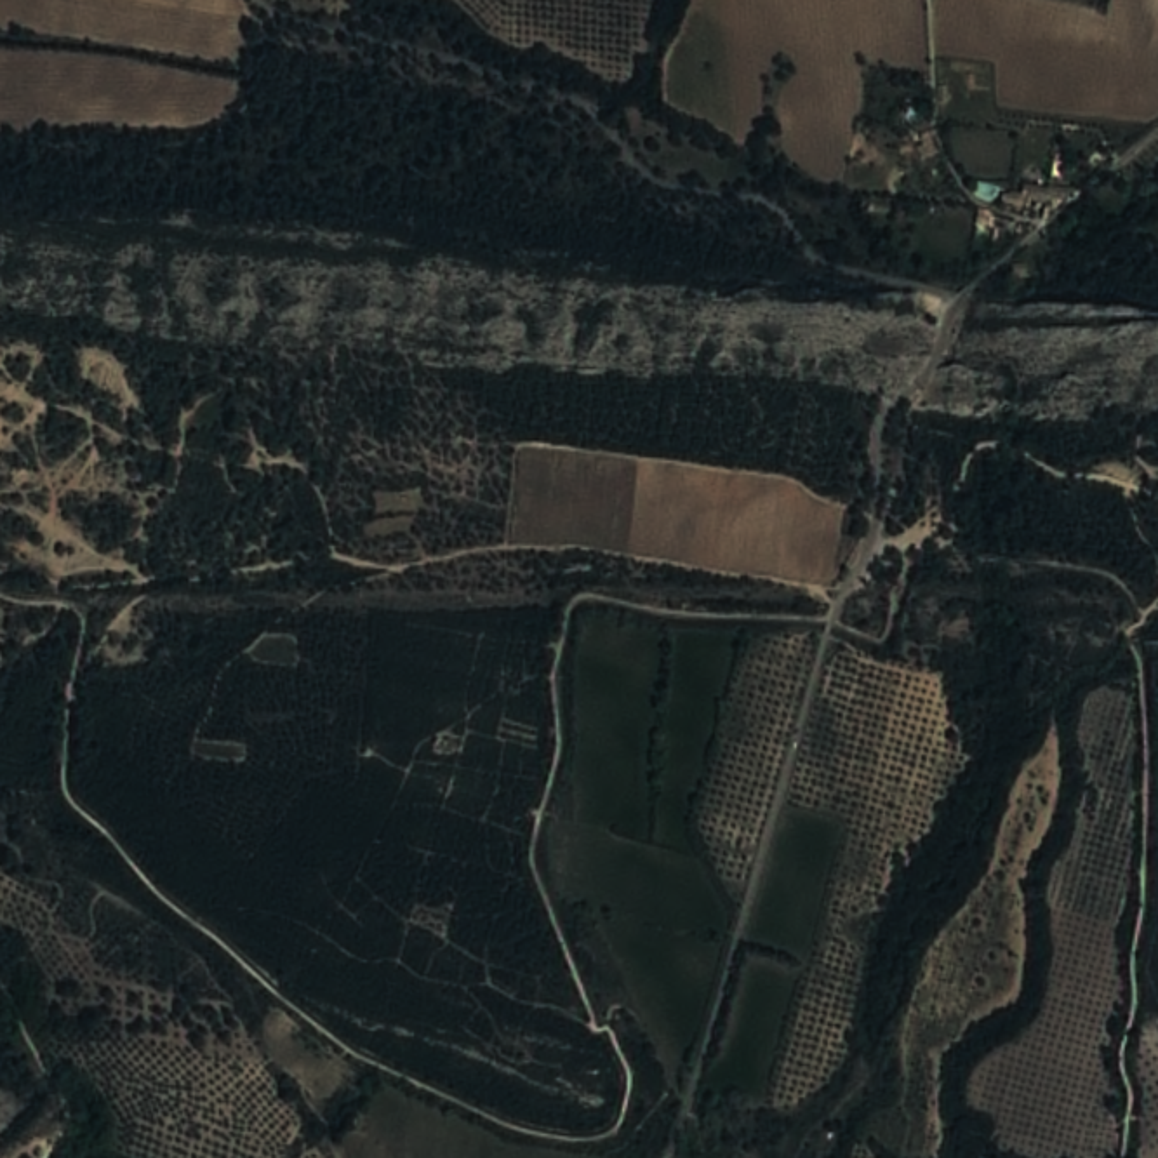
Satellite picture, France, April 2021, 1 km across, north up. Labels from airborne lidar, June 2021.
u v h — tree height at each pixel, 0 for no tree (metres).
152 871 8
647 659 0
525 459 0
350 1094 10
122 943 6
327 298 0
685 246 7
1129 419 7
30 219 8
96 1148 7
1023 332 0
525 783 6
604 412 7
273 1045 0
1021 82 0
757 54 0
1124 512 7
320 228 6
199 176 8
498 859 5
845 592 0
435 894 8
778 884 0
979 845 8
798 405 7
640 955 0
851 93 0
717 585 6
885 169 0
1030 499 11
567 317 0
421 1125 0
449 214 7
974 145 0
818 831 0
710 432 7
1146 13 0
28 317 7
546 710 6
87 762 12
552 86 13
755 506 0
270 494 12
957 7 0
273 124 13
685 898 0
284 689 5
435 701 0
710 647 0
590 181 7
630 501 0
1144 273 13
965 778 10
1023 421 12
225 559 7
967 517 19
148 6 0
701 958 0
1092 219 11
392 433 6
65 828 10
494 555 6
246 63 11
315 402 8
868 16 0
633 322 0
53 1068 9
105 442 10
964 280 8
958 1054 6
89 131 10
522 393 6
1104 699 0
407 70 16
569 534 0
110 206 14
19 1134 11
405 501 0
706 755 6
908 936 12
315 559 11
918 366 0
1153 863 7
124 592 6
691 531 0
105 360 0
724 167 0
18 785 6
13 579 13
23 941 20
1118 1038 11
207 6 0
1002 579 15
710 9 0
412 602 0
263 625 8
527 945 7
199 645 14
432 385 8
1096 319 0
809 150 0
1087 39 0
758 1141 7
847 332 0
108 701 6
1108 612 0
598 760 0
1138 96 0
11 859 16
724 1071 0
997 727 10
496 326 0
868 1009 7
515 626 5
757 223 14
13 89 0
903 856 8
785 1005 0
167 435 11
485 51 9
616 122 13
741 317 0
